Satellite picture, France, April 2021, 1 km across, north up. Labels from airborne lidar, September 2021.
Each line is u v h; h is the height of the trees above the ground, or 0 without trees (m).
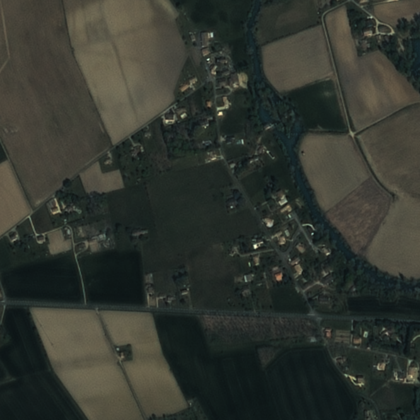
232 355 0
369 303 0
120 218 0
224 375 0
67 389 0
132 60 0
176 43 0
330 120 0
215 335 8
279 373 0
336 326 0
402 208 0
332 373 0
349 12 9
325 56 0
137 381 0
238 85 13
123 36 0
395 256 0
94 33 0
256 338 17
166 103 0
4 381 0
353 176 0
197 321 0
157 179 0
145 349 0
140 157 12
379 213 0
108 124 0
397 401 0
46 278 0
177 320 0
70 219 13
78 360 0
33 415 0
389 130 0
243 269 0
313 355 0
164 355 0
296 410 0
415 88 15
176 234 0
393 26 0
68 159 0
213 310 0
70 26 0
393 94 0
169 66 0
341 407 0
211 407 0
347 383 0
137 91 0
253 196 0
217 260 0
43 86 0
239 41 0
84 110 0
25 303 0
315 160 0
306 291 0
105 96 0
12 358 0
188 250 0
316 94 0
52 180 0
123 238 0
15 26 0
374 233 0
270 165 0
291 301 0
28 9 0
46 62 0
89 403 0
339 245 0
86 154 0
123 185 0
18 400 0
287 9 0
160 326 0
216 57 0
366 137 0
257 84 10
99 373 0
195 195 0
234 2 0
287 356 0
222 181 0
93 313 0
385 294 10
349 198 0
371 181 0
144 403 0
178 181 0
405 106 0
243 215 0
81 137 0
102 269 0
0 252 0
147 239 7
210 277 0
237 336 17
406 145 0
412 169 0
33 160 0
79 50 0
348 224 0
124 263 0
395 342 8
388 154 0
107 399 0
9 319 0
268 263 9
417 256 0
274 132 0
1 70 0
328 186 0
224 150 0
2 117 0
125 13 0
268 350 18
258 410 0
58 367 0
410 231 0
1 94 0
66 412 0
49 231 0
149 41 0
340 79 0
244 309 9
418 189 0
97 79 0
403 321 0
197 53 0
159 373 0
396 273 0
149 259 0
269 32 0
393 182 0
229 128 0
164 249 0
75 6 0
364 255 0
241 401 0
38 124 0
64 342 0
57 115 0
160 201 0
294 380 0
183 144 18
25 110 0
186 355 0
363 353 0
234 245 11
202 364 0
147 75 0
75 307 0
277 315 0
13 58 0
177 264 0
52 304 0
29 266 0
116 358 0
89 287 0
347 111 0
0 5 0
